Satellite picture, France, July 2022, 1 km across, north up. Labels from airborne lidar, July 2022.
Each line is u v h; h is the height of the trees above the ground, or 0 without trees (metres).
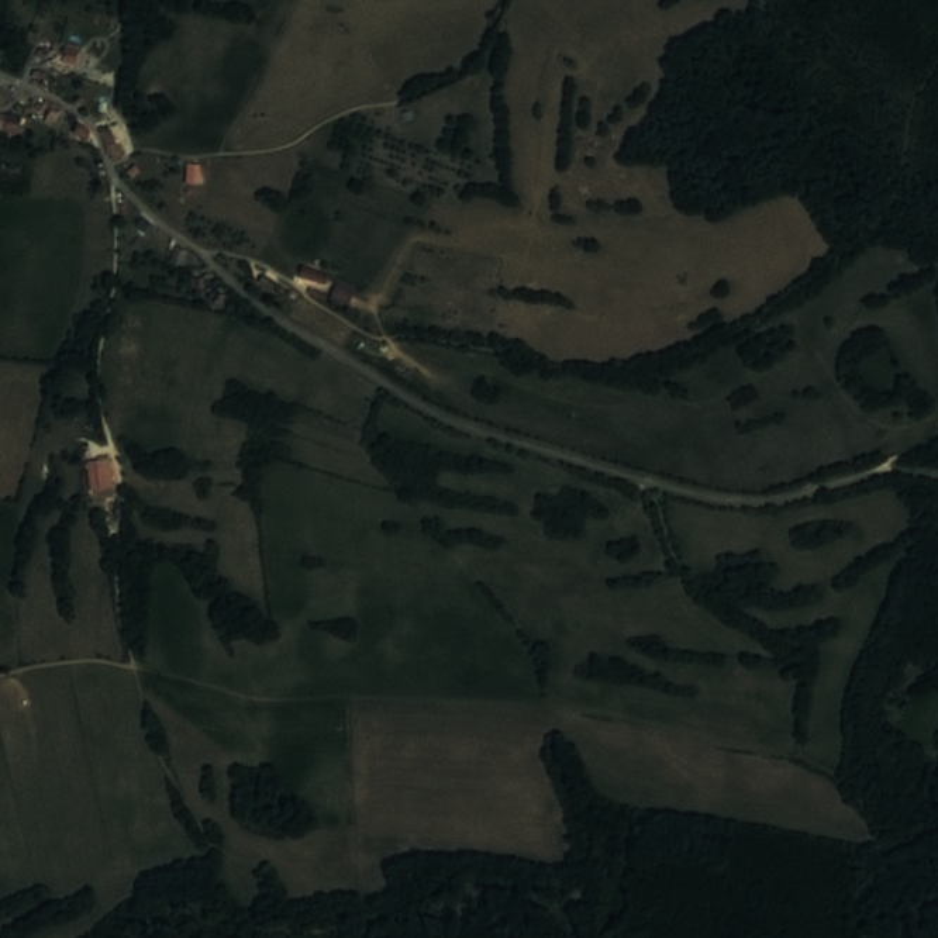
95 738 0
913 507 16
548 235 0
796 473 0
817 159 26
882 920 25
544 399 0
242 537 0
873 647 12
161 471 8
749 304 0
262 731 0
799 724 12
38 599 0
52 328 0
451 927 26
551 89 0
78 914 12
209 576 14
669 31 0
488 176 0
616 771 0
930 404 13
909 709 0
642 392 11
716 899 9
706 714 0
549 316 0
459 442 0
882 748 24
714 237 0
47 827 0
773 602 15
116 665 0
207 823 11
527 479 0
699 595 12
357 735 0
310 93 0
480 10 0
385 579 0
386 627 0
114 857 0
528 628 0
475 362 0
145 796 0
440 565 0
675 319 0
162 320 0
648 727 0
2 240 0
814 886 8
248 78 0
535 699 0
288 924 20
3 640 0
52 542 16
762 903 8
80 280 0
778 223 0
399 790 0
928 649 24
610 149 0
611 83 0
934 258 14
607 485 12
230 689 0
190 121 0
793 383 0
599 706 0
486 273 0
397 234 0
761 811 0
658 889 7
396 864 17
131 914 17
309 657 0
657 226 0
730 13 13
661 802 0
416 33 0
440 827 0
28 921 13
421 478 6
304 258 0
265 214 0
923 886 24
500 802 0
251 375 0
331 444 0
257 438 8
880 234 16
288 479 0
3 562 0
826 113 9
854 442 0
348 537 0
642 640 9
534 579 0
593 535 0
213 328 0
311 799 0
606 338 0
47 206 0
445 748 0
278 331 9
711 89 25
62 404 12
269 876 14
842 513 0
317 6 0
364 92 0
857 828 0
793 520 0
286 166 0
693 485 7
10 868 0
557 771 7
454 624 0
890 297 10
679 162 14
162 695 0
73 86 7
